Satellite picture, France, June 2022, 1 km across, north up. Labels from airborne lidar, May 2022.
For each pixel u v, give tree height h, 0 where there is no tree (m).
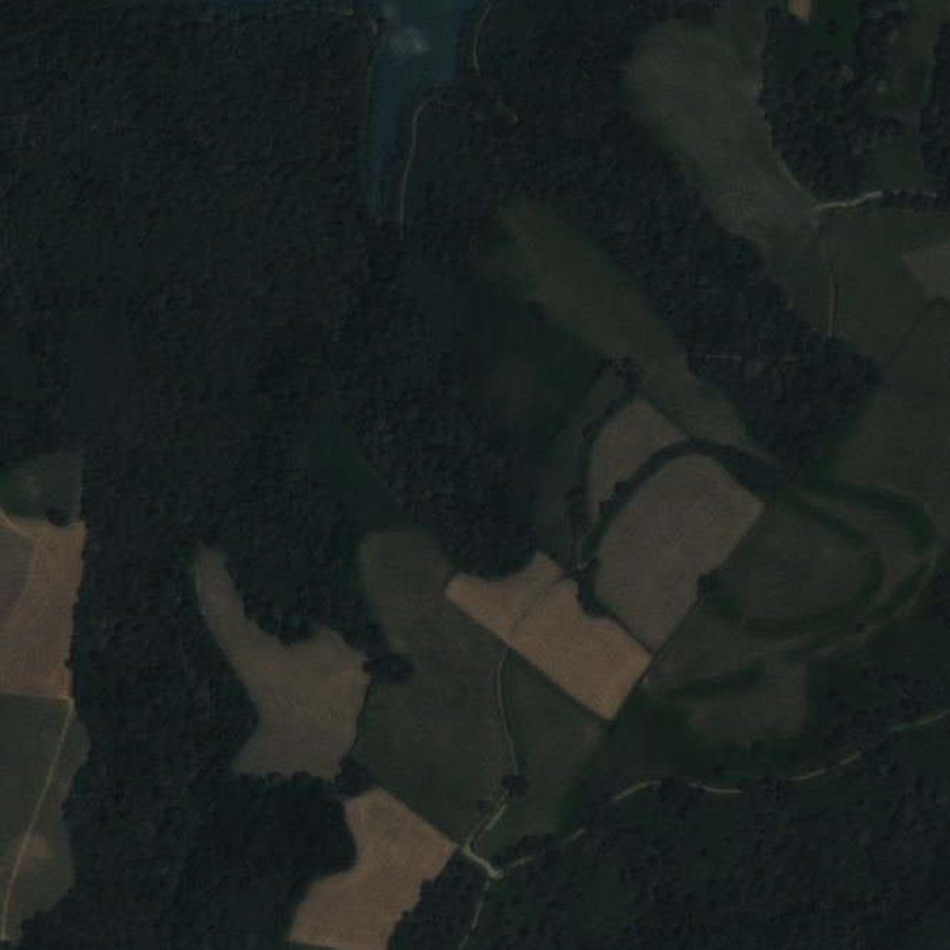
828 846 22
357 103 19
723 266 21
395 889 0
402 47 0
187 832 30
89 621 19
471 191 7
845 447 0
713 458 0
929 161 16
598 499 0
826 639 0
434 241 12
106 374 0
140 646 21
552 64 10
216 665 9
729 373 10
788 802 19
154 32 9
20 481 0
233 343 19
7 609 0
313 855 20
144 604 24
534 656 0
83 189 9
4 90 10
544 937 13
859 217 0
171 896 8
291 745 0
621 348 0
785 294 7
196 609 10
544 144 16
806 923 25
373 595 0
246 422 17
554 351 0
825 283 0
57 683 0
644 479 0
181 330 22
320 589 17
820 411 9
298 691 0
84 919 12
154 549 17
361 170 14
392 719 0
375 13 6
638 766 0
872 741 12
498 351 0
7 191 7
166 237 0
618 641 0
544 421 0
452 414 11
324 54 10
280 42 8
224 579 0
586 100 7
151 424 7
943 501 0
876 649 0
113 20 17
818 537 0
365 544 0
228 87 10
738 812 0
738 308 20
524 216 0
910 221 0
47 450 7
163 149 10
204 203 8
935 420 0
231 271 18
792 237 0
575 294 0
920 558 0
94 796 19
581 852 11
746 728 0
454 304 0
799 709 0
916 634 0
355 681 0
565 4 6
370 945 0
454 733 0
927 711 16
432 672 0
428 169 0
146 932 21
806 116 27
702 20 17
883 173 0
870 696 0
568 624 0
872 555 0
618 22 11
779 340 18
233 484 24
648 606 0
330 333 9
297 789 13
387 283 19
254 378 18
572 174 17
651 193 17
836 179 15
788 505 0
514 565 11
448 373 10
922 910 9
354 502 0
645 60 0
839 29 16
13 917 0
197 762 20
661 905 17
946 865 14
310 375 20
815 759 0
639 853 19
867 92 18
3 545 0
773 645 0
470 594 0
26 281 9
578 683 0
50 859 0
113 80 8
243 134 13
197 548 19
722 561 0
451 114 9
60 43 13
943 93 17
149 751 21
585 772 0
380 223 11
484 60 7
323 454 0
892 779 9
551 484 0
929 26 0
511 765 0
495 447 15
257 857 10
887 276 0
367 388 13
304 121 13
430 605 0
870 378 18
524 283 0
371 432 9
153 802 28
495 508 15
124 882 19
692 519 0
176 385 15
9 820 0
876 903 16
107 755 16
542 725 0
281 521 18
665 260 13
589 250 0
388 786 0
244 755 0
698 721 0
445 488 16
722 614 0
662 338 0
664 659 0
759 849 13
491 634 0
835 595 0
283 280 18
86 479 11
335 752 0
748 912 18
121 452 15
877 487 0
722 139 0
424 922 13
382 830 0
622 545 0
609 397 0
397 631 0
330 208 23
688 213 18
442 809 0
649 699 0
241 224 16
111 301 0
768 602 0
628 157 9
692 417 0
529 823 0
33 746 0
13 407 8
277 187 19
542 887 19
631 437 0
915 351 0
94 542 16
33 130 7
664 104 0
